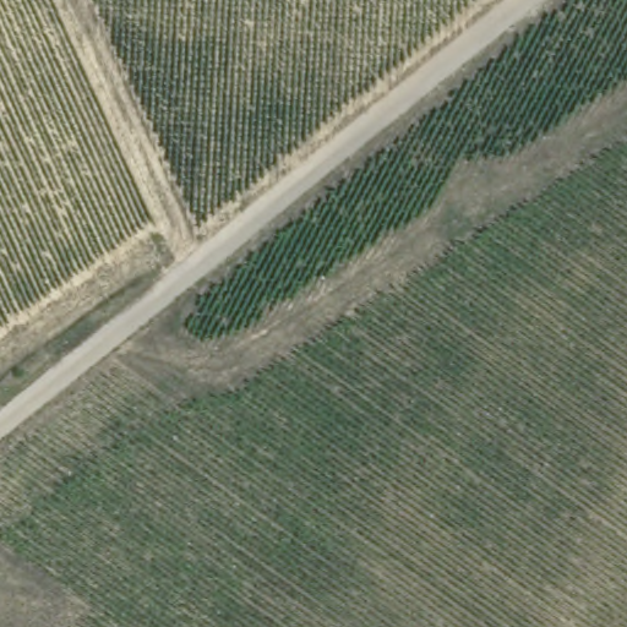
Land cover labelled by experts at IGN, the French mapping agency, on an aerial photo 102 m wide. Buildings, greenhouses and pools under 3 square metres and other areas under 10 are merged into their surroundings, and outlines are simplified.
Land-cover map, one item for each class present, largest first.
<instances>
[{"label":"vineyard","instance_id":"1","mask_svg":"<svg viewBox=\"0 0 627 627\"><path fill-rule=\"evenodd\" d=\"M159 233L140 193L135 174L113 135L105 110L91 86V78L81 64V56L71 44L69 29L54 0H0V348L7 340H15V326L27 323L32 316H39V309H47L66 291H73L93 274H98L103 267L127 260V255L140 247L142 240H149V235ZM100 10L103 24L110 29V44L115 49V56L122 61V69L127 71V83L140 96L147 120H152V127L159 137V147L164 149V159L169 162L176 186L184 189V201L189 203V211L196 216V220L203 223L223 203L233 201L238 191L247 189L255 201L272 191L282 176H287L301 162H306L316 149L328 145L338 132H343L350 122L365 115L370 108H375L380 100H385L397 86H402L409 76H414L421 66H426L436 54L451 47L463 32L478 24L505 0H93ZM549 10H544L536 20L527 22L524 29L500 34L497 42H492L478 56L463 64L458 73L438 83L404 115H399L394 122H389L375 137H370L358 154L343 159L314 189L304 191L284 213H279L272 220L269 228H262L255 240H247L213 272H208L191 289L179 294L167 309H162L135 333L122 338L113 350H108L96 365L78 375L66 389L44 402L20 426H15L7 434L0 431V627H627V0H549Z\"/></svg>","mask_w":627,"mask_h":627},{"label":"impervious surface","instance_id":"2","mask_svg":"<svg viewBox=\"0 0 627 627\"><path fill-rule=\"evenodd\" d=\"M549 0H505L478 24L463 32L451 47L436 54L426 66H421L414 76H409L402 86H397L385 100H380L375 108H370L365 115L350 122L343 132H338L328 145L316 149L306 162H301L287 176H282L272 191L255 201L206 242L189 240V230L179 233L169 228L162 235L174 255V265L162 272L159 282L142 299H137L132 306H127L122 314H118L113 321L98 328L91 338H86L78 348L64 355L24 392H20L0 407V431L7 434L15 426H20L44 402L66 389L78 375L96 365L108 350H113L122 338L135 333L162 309H167L179 294L191 289L208 272H213L247 240H255L262 228H269L272 220L279 213H284L304 191L314 189L343 159L358 154L370 137H375L389 122H394L399 115H404L438 83L458 73L463 64L478 56L492 42H497L500 34L524 29L527 22L536 20L544 10H549Z\"/></svg>","mask_w":627,"mask_h":627},{"label":"herbaceous vegetation","instance_id":"3","mask_svg":"<svg viewBox=\"0 0 627 627\"><path fill-rule=\"evenodd\" d=\"M73 15L93 47L96 61L105 81L110 83V93L122 120L130 130H145L137 137V149L142 154L149 184L159 198L162 213L169 220V228L179 233L189 230V240L206 242L255 201L247 189L238 191L233 201L223 203L203 223L196 220V216L189 211V203L184 201V189L176 186L169 162L164 159V149L159 147V137L152 127V120H147L140 96L127 83V71L122 69V61L115 56V49L110 44V29L103 24L100 10L93 0H71ZM174 265V255L162 235L159 233L149 235V240H142L140 247L127 255V260L103 267L98 274H93L73 291H66L47 309H39V316H32L27 323L15 326V340H7L0 348V407L20 392H24L64 355L78 348L86 338H91L98 328L113 321L118 314H122L127 306H132L137 299H142L159 282L162 272Z\"/></svg>","mask_w":627,"mask_h":627},{"label":"pervious surface","instance_id":"4","mask_svg":"<svg viewBox=\"0 0 627 627\"><path fill-rule=\"evenodd\" d=\"M69 29L71 44L81 56V64L91 78V86L105 110L113 135L135 174L140 193L159 233L162 235L169 228V220L162 213L159 198L149 184L142 154L137 149V137L145 130H130L122 120L110 93V83L105 81L96 61L93 47L73 15L71 0H54Z\"/></svg>","mask_w":627,"mask_h":627}]
</instances>
